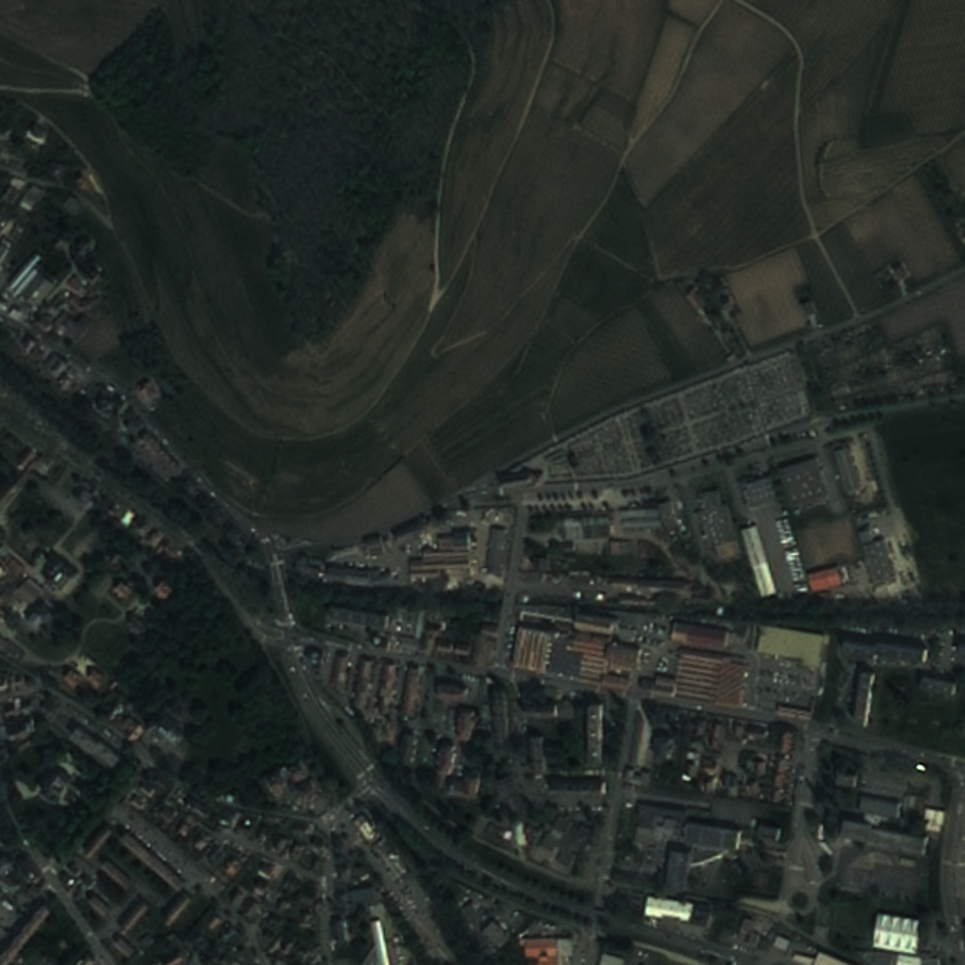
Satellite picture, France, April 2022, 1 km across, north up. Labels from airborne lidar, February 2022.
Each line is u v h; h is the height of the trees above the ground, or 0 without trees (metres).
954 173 0
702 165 0
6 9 0
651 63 0
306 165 14
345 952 0
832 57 0
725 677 0
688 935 0
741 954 0
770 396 0
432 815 15
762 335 0
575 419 0
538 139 0
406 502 0
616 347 0
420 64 19
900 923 0
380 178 20
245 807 12
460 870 12
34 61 0
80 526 0
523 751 18
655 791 0
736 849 0
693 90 0
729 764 0
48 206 7
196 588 24
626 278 0
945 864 0
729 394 0
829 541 0
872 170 0
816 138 0
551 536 0
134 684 19
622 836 0
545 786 0
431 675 9
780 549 0
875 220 0
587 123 0
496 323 0
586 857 11
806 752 0
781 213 0
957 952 0
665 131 0
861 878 0
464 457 0
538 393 0
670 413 0
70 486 0
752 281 0
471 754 19
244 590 22
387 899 9
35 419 34
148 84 15
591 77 0
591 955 0
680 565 0
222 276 0
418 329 0
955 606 22
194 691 11
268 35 17
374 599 22
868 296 0
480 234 0
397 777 22
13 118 9
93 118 0
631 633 0
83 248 0
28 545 0
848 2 0
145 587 9
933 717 0
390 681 0
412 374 0
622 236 0
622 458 0
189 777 17
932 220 0
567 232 0
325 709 0
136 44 10
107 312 0
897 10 0
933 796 0
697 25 0
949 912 0
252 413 0
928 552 0
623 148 0
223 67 15
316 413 0
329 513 0
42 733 17
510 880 0
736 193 0
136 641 14
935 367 0
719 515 0
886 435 0
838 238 0
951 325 0
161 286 0
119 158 0
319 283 18
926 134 0
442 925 11
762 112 0
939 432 0
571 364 0
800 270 0
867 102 0
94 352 0
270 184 12
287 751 17
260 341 0
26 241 0
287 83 14
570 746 12
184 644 19
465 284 0
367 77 15
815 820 14
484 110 0
